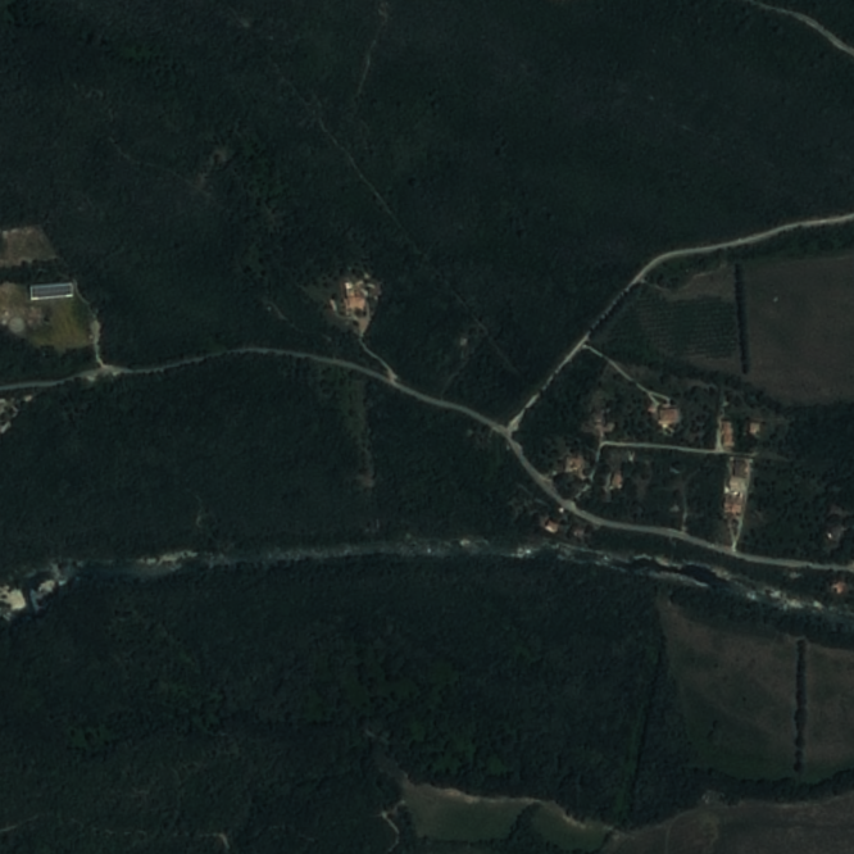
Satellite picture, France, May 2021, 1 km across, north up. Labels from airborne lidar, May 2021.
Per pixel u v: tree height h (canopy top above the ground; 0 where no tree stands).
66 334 0
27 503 8
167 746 7
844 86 7
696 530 6
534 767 14
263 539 9
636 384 6
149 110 9
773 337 0
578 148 7
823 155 7
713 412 6
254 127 6
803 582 6
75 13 14
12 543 7
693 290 0
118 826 7
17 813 7
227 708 10
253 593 5
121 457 10
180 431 10
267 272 13
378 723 11
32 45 16
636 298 13
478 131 6
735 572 6
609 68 6
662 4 6
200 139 11
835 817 0
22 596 0
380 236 11
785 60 9
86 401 12
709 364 0
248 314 7
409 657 10
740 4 8
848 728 0
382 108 7
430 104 5
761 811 0
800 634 8
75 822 7
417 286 11
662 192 5
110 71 12
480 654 8
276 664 8
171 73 14
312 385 10
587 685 10
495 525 7
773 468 6
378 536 8
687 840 0
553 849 11
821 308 0
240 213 8
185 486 6
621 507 9
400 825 8
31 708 20
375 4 6
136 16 8
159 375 10
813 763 0
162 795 7
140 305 7
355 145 8
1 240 0
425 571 7
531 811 10
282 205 8
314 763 8
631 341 7
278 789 11
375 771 10
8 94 10
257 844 8
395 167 7
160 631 13
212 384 13
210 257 10
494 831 0
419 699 8
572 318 8
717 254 7
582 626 7
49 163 6
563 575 8
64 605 12
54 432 9
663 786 14
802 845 0
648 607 10
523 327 7
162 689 13
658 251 7
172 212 6
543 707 9
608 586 10
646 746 13
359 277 6
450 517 8
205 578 11
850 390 0
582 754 17
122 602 8
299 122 6
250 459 6
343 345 8
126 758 7
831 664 0
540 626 6
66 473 7
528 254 6
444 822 0
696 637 0
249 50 9
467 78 6
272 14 6
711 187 6
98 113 7
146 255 10
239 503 6
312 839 6
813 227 8
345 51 5
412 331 6
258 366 8
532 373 9
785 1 9
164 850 8
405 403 7
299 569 14
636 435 10
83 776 8
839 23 9
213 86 10
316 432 7
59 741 21
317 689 6
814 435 8
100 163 9
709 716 0
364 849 16
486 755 11
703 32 7
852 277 0
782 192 7
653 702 11
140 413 12
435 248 6
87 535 5
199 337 7
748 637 0
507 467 7
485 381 8
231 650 8
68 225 7
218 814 9
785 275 0
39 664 12
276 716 10
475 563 7
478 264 8
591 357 7
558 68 6
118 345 8
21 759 8
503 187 9
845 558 10
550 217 13
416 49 6
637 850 0
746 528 0
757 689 0
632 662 10
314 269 9
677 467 11
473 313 7
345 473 8
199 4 8
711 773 12
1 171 9
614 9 6
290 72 6
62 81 9
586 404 8
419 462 9
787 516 6
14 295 0
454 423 6
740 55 7
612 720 14
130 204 7
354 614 8
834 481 9
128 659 8
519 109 8
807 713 10
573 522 7
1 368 8
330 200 7
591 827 0
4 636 12
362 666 11
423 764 17
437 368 8
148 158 6
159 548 10
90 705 7
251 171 12
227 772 7
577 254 8
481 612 5
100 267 12
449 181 6
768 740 0
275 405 8
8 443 11
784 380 0
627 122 6
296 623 8
